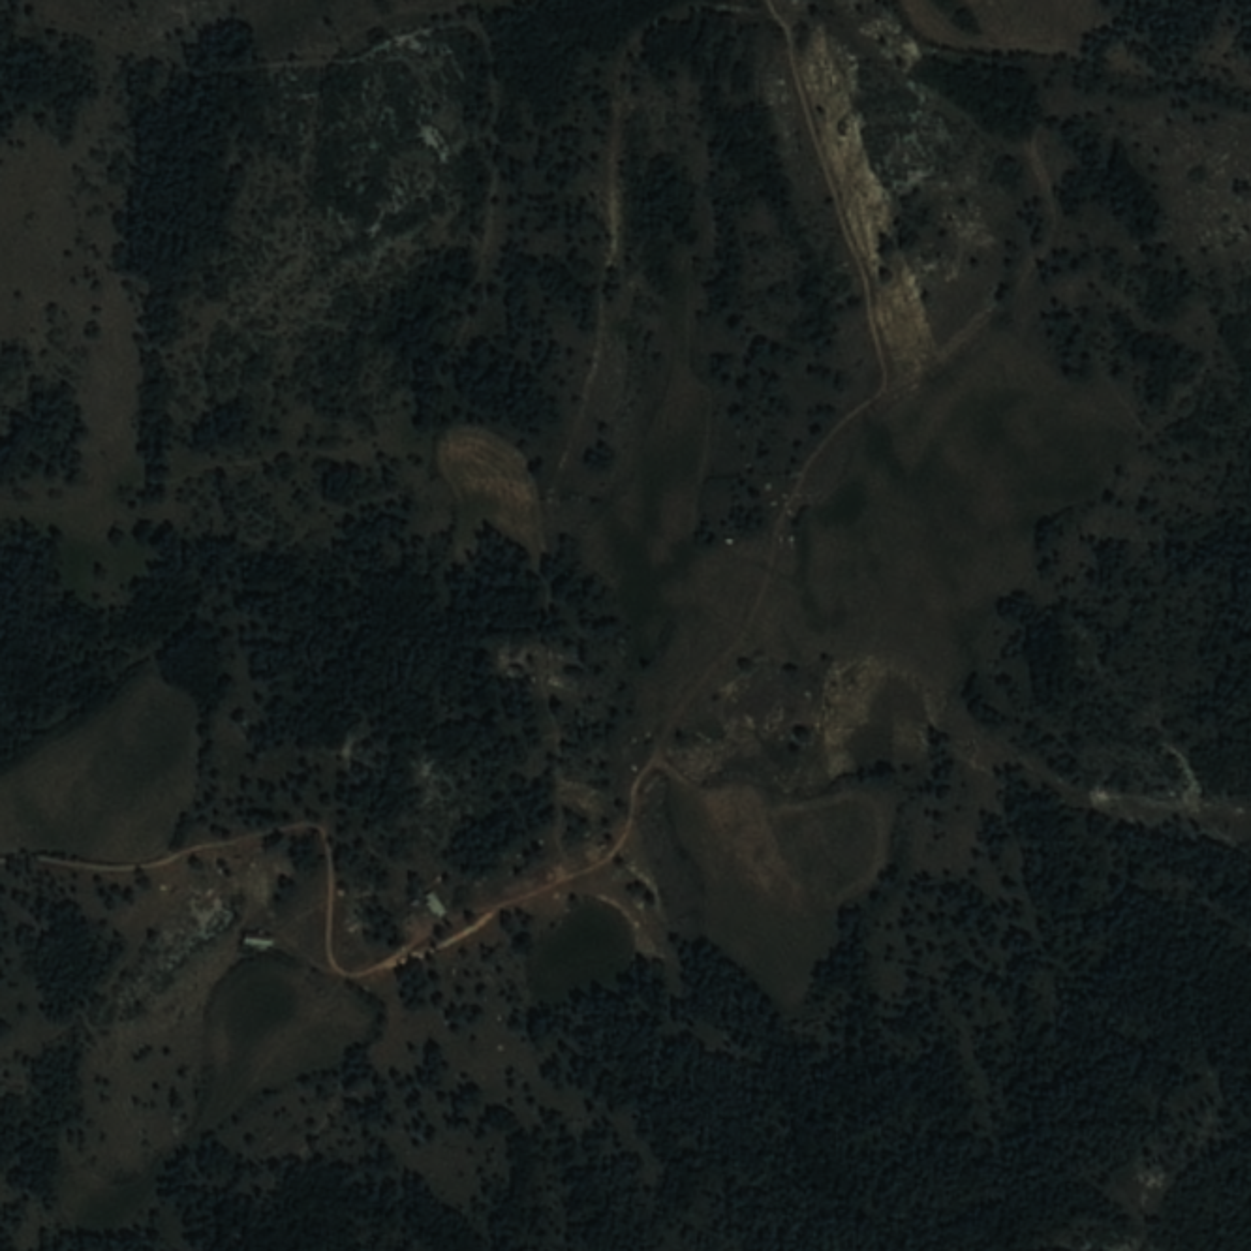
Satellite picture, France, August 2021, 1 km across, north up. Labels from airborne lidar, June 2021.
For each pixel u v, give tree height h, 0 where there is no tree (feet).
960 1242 25
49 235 0
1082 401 0
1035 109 28
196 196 44
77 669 31
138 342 27
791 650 0
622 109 0
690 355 0
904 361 0
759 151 27
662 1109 40
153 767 0
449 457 0
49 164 0
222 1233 31
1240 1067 36
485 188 30
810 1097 45
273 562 36
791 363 20
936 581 0
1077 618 30
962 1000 29
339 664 31
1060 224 0
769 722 0
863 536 0
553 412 29
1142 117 0
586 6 38
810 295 35
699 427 0
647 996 39
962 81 30
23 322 0
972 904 26
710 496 0
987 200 0
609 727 25
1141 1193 0
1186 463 30
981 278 0
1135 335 25
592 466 30
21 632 38
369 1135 31
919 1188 25
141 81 21
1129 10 26
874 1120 24
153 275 49
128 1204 0
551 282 38
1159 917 31
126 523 0
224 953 0
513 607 41
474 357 37
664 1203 27
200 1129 0
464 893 0
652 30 26
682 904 0
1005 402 0
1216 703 20
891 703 0
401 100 20
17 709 31
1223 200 0
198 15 0
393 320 18
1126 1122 36
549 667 0
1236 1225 24
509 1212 25
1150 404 29
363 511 23
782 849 0
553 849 0
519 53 25
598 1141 33
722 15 26
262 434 22
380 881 32
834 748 0
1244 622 26
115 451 0
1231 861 32
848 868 0
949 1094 31
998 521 0
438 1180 0
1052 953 35
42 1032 0
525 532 0
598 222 33
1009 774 26
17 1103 17
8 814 0
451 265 38
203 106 46
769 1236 28
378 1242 24
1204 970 34
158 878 0
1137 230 38
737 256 20
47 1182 50
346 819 24
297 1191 30
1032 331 0
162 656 20
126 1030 0
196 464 0
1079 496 0
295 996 0
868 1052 33
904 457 0
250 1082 0
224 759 0
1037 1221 21
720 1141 37
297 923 0
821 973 31
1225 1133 25
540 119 19
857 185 0
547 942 0
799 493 0
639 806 0
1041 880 26
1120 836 25
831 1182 41
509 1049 0
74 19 0
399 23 0
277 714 35
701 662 0
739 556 0
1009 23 0
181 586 23
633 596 0
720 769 0
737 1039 28
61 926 36
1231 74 20
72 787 0
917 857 0
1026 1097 20
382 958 0
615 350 0
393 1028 0
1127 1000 38
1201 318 0
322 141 17
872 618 0
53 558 26
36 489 0
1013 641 20
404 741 30
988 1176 25
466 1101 37
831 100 0
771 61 0
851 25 0
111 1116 0
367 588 40
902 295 0
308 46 0
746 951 0
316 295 0
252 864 0
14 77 44
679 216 36
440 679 32
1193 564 31
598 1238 30
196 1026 0
